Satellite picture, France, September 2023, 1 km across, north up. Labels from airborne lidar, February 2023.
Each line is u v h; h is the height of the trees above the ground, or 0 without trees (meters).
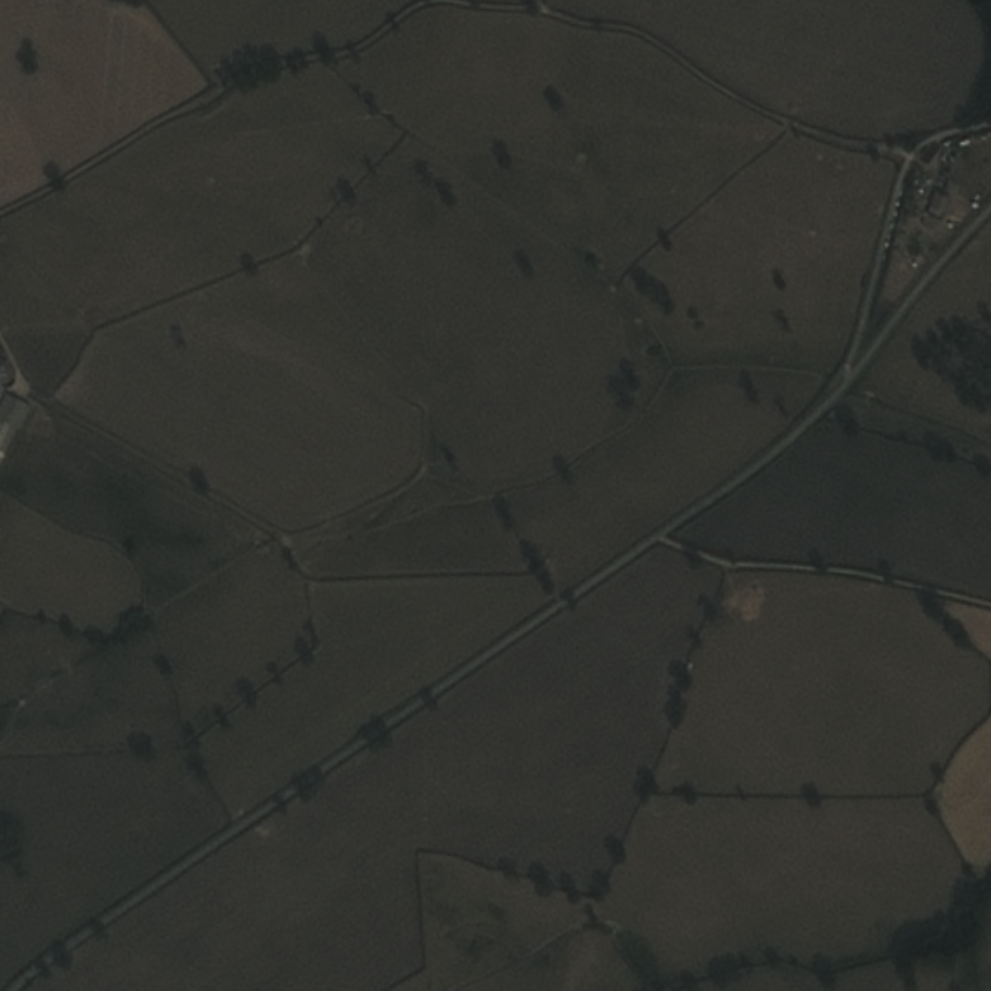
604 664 0
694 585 0
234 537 0
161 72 0
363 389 0
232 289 0
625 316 0
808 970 0
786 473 0
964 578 0
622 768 0
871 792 0
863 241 0
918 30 0
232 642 0
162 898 0
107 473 0
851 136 0
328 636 0
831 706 0
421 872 0
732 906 0
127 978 0
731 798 0
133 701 0
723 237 0
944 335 19
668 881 0
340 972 0
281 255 0
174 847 0
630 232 0
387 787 0
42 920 0
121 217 0
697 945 0
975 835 0
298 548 0
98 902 0
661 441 0
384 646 0
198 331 0
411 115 0
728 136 0
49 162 0
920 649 0
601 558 0
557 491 0
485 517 0
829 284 0
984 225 0
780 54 0
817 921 0
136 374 0
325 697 0
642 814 0
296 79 0
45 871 0
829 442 0
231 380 0
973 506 0
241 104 0
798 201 0
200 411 0
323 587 0
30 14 0
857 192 0
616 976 0
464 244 0
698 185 0
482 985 0
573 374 0
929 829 0
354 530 0
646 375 0
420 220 0
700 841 0
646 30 0
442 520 0
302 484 0
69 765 0
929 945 18
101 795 0
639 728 0
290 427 0
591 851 0
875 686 0
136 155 0
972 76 0
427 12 0
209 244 0
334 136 0
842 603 0
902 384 0
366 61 0
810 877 0
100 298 0
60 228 0
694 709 0
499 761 0
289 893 0
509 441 0
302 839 0
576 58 0
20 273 0
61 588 0
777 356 0
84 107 0
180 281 0
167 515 0
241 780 0
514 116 0
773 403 0
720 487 0
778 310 0
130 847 0
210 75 0
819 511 0
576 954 0
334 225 0
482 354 0
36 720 0
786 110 0
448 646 0
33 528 0
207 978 0
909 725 0
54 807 0
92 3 0
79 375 0
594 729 0
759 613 0
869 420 0
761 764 0
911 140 9
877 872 0
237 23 0
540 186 0
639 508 0
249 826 0
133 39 0
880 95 0
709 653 0
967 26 0
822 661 0
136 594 0
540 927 0
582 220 0
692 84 0
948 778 0
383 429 0
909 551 0
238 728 0
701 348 0
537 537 0
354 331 0
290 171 0
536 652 0
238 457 0
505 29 0
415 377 0
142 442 0
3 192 0
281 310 0
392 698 0
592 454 0
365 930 0
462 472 0
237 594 0
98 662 0
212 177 0
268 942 0
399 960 0
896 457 0
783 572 0
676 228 0
